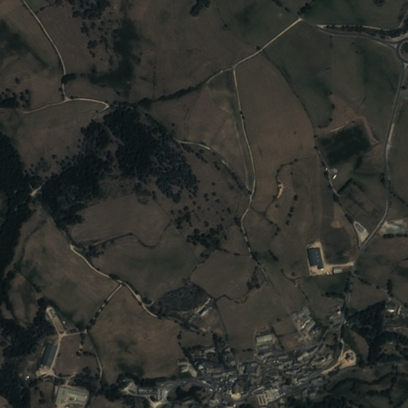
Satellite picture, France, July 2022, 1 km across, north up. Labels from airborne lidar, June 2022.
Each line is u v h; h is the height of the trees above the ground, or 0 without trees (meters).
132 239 0
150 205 0
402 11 0
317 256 0
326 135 0
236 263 0
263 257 0
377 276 0
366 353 0
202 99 0
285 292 0
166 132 16
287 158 0
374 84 0
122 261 0
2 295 13
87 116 0
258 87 0
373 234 0
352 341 0
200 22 0
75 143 0
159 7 0
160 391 0
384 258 0
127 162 14
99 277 0
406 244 0
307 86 0
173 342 0
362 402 0
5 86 0
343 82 0
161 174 21
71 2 17
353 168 0
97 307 0
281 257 0
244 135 0
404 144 0
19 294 0
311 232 0
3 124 0
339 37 0
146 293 0
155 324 0
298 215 0
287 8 11
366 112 0
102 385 10
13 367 14
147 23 0
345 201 0
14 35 0
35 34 0
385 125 0
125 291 0
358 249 0
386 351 6
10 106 17
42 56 0
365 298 0
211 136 0
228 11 0
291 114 0
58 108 0
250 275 0
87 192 9
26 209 8
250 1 0
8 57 0
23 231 0
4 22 0
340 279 0
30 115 0
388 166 0
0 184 16
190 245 0
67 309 0
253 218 0
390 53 0
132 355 0
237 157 0
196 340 0
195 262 0
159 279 0
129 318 0
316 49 0
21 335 8
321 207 0
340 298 7
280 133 0
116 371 0
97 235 0
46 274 0
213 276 0
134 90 0
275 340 0
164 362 0
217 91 0
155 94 0
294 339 0
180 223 9
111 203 0
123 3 0
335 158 0
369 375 0
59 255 0
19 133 0
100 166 10
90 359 0
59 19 0
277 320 7
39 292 10
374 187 0
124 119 16
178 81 0
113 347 0
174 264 0
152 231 0
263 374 0
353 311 0
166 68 0
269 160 0
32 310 0
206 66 0
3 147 20
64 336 0
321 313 0
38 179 13
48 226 0
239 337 0
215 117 0
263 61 0
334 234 0
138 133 9
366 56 0
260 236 0
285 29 0
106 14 0
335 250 0
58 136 0
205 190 0
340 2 0
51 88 0
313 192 0
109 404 0
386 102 0
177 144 14
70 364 0
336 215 0
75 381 7
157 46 0
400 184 0
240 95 0
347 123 0
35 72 0
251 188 0
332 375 8
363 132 0
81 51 0
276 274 0
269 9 0
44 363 0
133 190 8
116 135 15
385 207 0
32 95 0
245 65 0
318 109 0
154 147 12
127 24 0
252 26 0
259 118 0
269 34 0
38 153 0
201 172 0
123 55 0
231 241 0
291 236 0
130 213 0
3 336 12
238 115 0
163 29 0
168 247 0
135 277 0
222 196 0
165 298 0
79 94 0
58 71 0
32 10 0
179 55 0
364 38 0
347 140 0
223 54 0
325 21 0
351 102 0
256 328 0
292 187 0
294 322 0
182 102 0
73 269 0
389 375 8
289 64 0
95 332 0
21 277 0
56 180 13
